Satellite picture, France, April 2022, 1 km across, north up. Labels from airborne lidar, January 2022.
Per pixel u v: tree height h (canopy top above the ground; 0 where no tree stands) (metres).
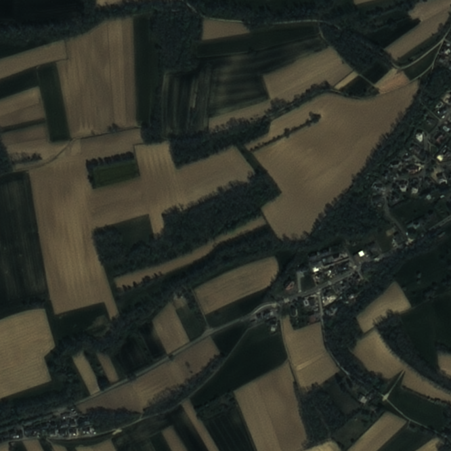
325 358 0
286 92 0
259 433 0
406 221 0
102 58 0
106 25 0
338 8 0
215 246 0
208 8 24
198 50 0
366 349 0
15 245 0
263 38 0
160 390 0
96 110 0
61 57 0
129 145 0
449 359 0
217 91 0
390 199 10
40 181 0
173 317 0
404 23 0
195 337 0
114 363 0
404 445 0
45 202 0
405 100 0
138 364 0
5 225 0
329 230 24
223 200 23
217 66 0
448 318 0
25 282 0
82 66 0
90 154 0
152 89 0
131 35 0
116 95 0
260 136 17
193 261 0
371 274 19
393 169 8
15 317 0
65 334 0
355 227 31
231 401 8
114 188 0
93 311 0
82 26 30
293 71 0
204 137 19
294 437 0
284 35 0
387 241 0
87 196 0
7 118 0
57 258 0
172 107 0
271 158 0
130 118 0
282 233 0
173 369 0
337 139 0
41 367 0
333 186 0
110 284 0
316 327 0
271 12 27
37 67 0
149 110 0
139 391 0
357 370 24
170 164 0
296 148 0
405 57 0
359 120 0
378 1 0
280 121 0
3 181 0
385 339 20
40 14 0
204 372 11
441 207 7
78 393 18
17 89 0
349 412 0
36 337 0
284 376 0
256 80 0
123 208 0
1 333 0
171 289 26
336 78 0
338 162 0
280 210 0
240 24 0
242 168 0
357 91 0
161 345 0
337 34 24
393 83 0
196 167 0
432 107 11
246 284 0
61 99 0
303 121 0
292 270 16
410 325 0
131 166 0
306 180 0
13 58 0
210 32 0
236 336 0
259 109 0
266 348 0
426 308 0
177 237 21
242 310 0
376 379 23
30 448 0
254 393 0
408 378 0
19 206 0
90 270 0
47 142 0
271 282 0
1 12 0
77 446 0
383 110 0
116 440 0
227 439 0
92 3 19
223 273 0
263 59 0
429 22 0
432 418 0
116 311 0
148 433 0
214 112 0
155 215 0
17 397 0
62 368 23
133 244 0
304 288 0
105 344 26
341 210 24
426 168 0
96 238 20
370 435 0
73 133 0
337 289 0
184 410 0
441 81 25
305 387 0
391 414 0
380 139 0
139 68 0
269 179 24
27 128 0
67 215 0
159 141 19
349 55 21
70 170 0
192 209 20
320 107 0
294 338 0
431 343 0
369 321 0
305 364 0
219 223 25
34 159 17
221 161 0
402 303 0
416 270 0
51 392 0
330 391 0
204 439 0
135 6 28
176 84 0
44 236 0
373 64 15
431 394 0
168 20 24
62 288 0
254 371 0
